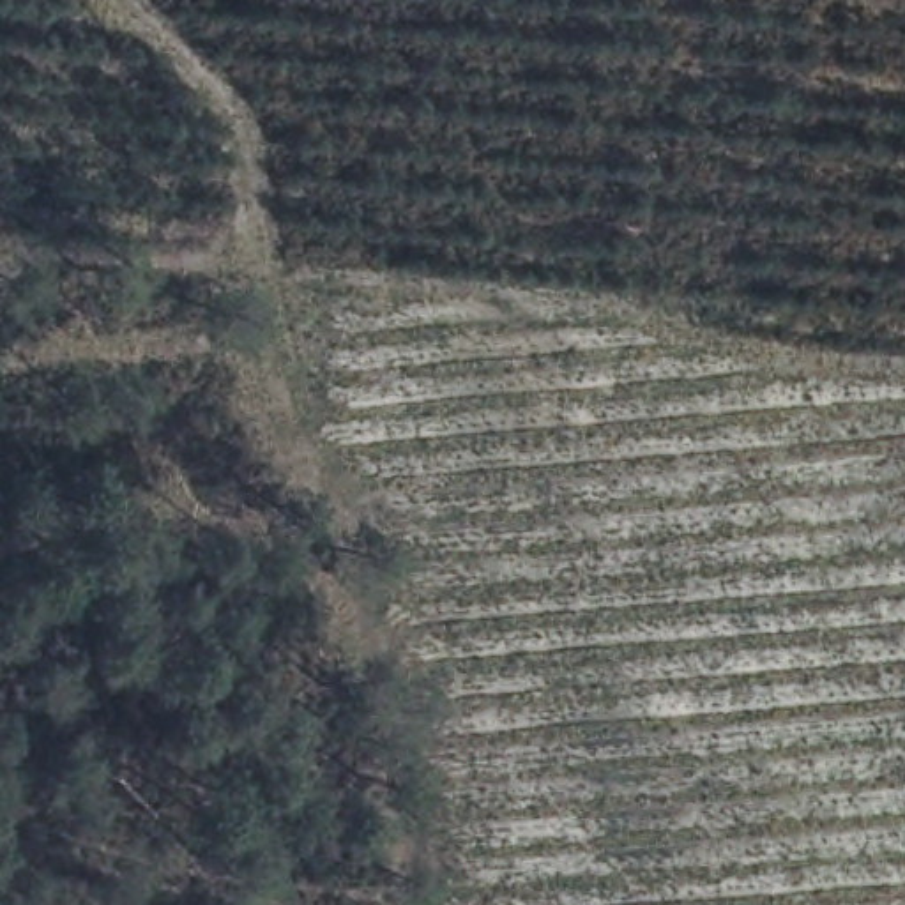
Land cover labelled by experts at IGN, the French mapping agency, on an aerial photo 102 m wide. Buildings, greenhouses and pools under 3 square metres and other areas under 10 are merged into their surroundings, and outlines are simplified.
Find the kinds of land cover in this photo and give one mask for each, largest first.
<instances>
[{"label":"clear cut","instance_id":"1","mask_svg":"<svg viewBox=\"0 0 905 905\"><path fill-rule=\"evenodd\" d=\"M240 290H255L272 300L279 325V343L272 346L276 375L290 385V403L297 410L300 431H322L329 442L343 445L368 442L371 460L361 467L364 474H375V488H389L385 506L399 513L407 509L431 516V527H407L403 541L414 559L410 576L417 587L435 590L438 605H424L414 612L389 605L385 619L403 626H428L424 647L407 650H414L421 661H442L449 668V696H456V714L442 721V735L428 749L431 764L442 774H449L445 795L449 831L453 838H463L460 866L449 870L456 905H905V357L845 354L824 346H788L778 339L728 336L725 329L689 325L686 315L640 308L636 297L619 293L583 290L509 286L488 279H438L421 272H399L325 265H300L297 272L279 269L272 279L237 272Z\"/></svg>","mask_w":905,"mask_h":905},{"label":"brushwood","instance_id":"2","mask_svg":"<svg viewBox=\"0 0 905 905\"><path fill-rule=\"evenodd\" d=\"M152 11L166 18L173 32L233 88V95L247 103L265 138L262 173L269 177V184L258 205L276 223L279 269L297 272L300 265H325L399 272L407 262L438 265L445 258V240L453 233L488 230L498 233L506 244L619 240L650 244V258L636 269V286H654L658 279H665L668 286L686 290L689 276L696 272H703V279H711L714 286L711 293L693 297L665 290L636 297L640 308L686 315L689 325L725 329L728 336L778 339L788 346H824L845 354L905 357V212H873L870 230H856L852 216L859 212L863 194H905V170L824 166L817 163V152L827 141H856L887 152H905V131L870 127L856 120L810 124L795 117H721L732 95H774V81L771 74L781 71L785 60L802 57L856 67L866 74H905V14H866L863 7L848 4V25L838 28L827 18L824 25H810L802 14H792L781 4L774 14L771 28L760 32L700 28L696 46L689 53L700 57V78L707 88L686 95L672 92V81L679 78L672 64L523 60L502 49H456L460 32H506L523 39L590 42L658 39L661 28L650 21H590L583 18L587 0H569L566 18H523L498 11H438L424 4L336 7L329 0H148ZM219 14H283L336 25L350 21L361 28L350 42L258 32L205 35L209 21ZM286 57L304 64L336 60L339 78H279L276 60ZM357 64H403L407 78L399 85L361 88ZM527 78L583 81L587 99L566 103L555 95H520V81ZM346 103L399 106V120L382 127L346 120ZM453 110L594 120L597 141L513 131L506 156L544 159L559 166H658L661 187L654 202L661 209L696 212L672 230L626 223L615 233L619 209L636 202V187L601 180L594 209L587 216L541 219L534 209H523L520 198H580V180L544 184L523 173L506 177L502 163H491L495 148L484 141L481 131L453 127ZM399 145L428 148V163L407 170V187L470 191L484 184L495 191L491 205L424 209V233L417 244H410L407 223L382 226L364 180L371 177L375 156ZM746 177H778L806 184L817 187L820 198L788 202L771 194H746ZM764 216H799L820 223V230L813 240H799L795 233L781 230L753 237V226ZM304 219H361V233L308 237L297 230ZM764 258L785 265H834L845 272L838 286H788L778 276H746L742 262ZM774 300H827L834 304L827 322L831 329H810L806 318H799L795 329H788L771 308ZM658 7L672 14H749L753 0H619ZM799 99L806 106H863L905 113V95L863 92L859 85H841L838 92L802 88ZM583 290L619 293L622 279L608 262H587V276L580 279ZM28 286H35V269L21 265V276L0 283V315H11L14 304L28 293ZM124 279L117 269H57V308L42 311L25 329L21 343H42L53 329L67 325L74 315H85L92 318V329L99 336L117 332V308ZM191 290L184 272H166L163 286H156L152 297L170 300V311L177 318L187 311ZM148 378L159 382L166 410L156 417L152 431L159 435V445L180 463V470L198 498L223 488L233 491L247 509H258L279 488L265 481L269 463L244 449L209 428L212 407L230 410L237 375L223 361L209 354L138 364ZM85 410V396L74 385L71 364H42L0 375V460L32 463V477H46L57 498L85 484L99 491L103 467L95 456H88L85 445H67V424ZM49 534L25 530L18 523L11 534H0V569H11L14 551H39ZM329 608L325 601H318V608L304 622H297L293 608L283 597H276L255 658L240 665L233 675L251 686L265 682L269 700H283L290 693V700H297L322 721V739L315 749V771L322 785H329L332 792L339 785H354L368 799V813L378 802H389V792L399 785V753H392V732L354 728L361 703L371 693H389L385 675L382 658L364 661L361 675L343 668L346 647L322 633ZM120 633V626L113 622L99 626L81 615L78 622L42 626L35 650L25 661L0 668V749L28 728V757L21 760L25 795L18 824L21 859L28 856L46 873L81 884L88 891H113V877L106 873L110 863L81 841V834H88V810L81 802H71L67 810L53 813L49 802L57 781L71 771L74 742L81 735H95L99 757L110 767L106 785L117 799V824L131 838H138L159 863L163 884L156 894L205 891L237 905H240V894L258 884V873L251 866H237L223 852L226 838L219 820L226 788L255 785L258 802L279 799L272 788L269 764L258 753H226L205 771L184 767L187 721L198 700L163 703L141 686H110L113 672L106 668L103 643ZM71 665L85 672L92 703L81 707L74 718L60 721L46 707V682L53 672ZM216 661L202 650L198 626H184L163 636L159 672L173 682L194 679L202 686ZM435 689L431 675L424 672L410 679L403 707L421 721L431 711ZM392 884L389 863L357 859L339 880H300L290 905H368L346 898V887Z\"/></svg>","mask_w":905,"mask_h":905},{"label":"coniferous trees","instance_id":"3","mask_svg":"<svg viewBox=\"0 0 905 905\"><path fill-rule=\"evenodd\" d=\"M71 0H0V18L67 21ZM336 7L424 4L438 11H498L523 18H566L569 0H329ZM658 7L619 0H587L583 18L590 21H650ZM693 14L700 18V28L760 32L771 28L774 14ZM361 28L350 21L336 25L283 14H219L209 21L205 35L258 32L350 42ZM71 42H39L42 49H64L60 64L103 67L106 57H113L120 60V71H127L159 64L166 57L134 32H117L103 25L71 21ZM456 49H502L523 60L672 64L679 42L658 39L590 42L523 39L506 32H460ZM279 78H339L336 60L304 64L286 57L276 60ZM407 78L403 64H357L361 88L399 85ZM0 92H74V85L67 78H49L46 71H0ZM99 95L127 103L141 99V85H120L110 74H99ZM520 95H555L566 103L587 99L583 81L527 78L520 81ZM774 95H732L721 117H795L810 124L856 120L870 127L905 131V113L863 106H806L799 99L802 88L799 81H774ZM346 120L382 127L399 120V106L346 103ZM49 127H60L64 134L71 127H88L95 134H127L138 156V170L148 180L170 173L173 187H156V198L148 202L134 198L131 191L117 194L106 177L117 166V156L99 152L92 145H78V166L57 187V194L64 202L95 205L103 212L92 223L85 247H117V269L124 279L117 308L138 315L148 308L156 286H163L166 272L152 269V251H159L166 223L223 219L233 216L230 194L223 202H184L180 187L191 180H212L216 166L230 170L237 166V156L219 148L230 134V124L223 120L216 124L212 156L187 163L180 159V145L187 141V124L170 117L138 120L71 110H0V159H42L39 141ZM453 127L481 131L484 141L495 148L491 163H502L506 177L523 173L544 184L580 180V198H520L523 209H534L541 219L587 216L594 209L601 180L636 187V202L619 209L615 233L626 223L672 230L696 212L661 209L654 202L661 187L658 166H559L544 159L506 156L513 131L597 141L594 120L453 110ZM817 163L824 166L905 170V152H887L856 141H827L817 152ZM428 163V148L399 145L375 156L371 177L364 180L382 226L407 223L410 244H417L424 233V209L491 205L495 191L484 184L470 191L407 187V170ZM746 194H771L788 202L820 198L817 187L806 184L778 177H746ZM905 212V194H863L859 212L852 216L856 230H870L873 212ZM781 230L795 233L799 240H813L820 230V223L799 216H764L753 226V237ZM297 230L308 237L361 233V219H304ZM650 258V244L619 240L506 244L498 233L488 230L453 233L445 240V258L438 265L407 262L399 272H421L438 279H488L509 286L583 290L580 279L587 276V262H608L622 279L619 293L636 297L665 290L693 297L711 293L714 286L711 279H703V272H696L689 276L686 290L668 286L665 279H658L654 286H636V269ZM746 276H778L788 286H838L845 272L834 265H785L764 258L742 262ZM57 308V269L35 279V286H28V293L14 304L11 315L25 329L42 311ZM191 290L187 311L177 318L198 322L205 336L209 354L223 361L230 357V350H237L255 361L262 357V346H272L279 343V325L272 300L255 290H240L237 272H184ZM771 308L788 329H795L799 318H806L810 329H831L827 322L834 304L827 300H774ZM74 385L85 396V410L67 424V445H85L99 442L110 431H120L131 435L134 453L152 477H173L180 470V463L159 445V435L152 431L156 417L166 410L159 382L148 378L138 364H71ZM209 428L244 449L255 438V431H244V424L230 410L212 407ZM265 481L279 488L258 509H272L286 523L300 527L283 576H265L255 566V534H240L233 541V551L223 555L202 534L184 537L177 523L145 516L141 498L127 491L117 467H103L99 491L85 484L57 498L46 477H32V463L0 460V534H11L18 523L25 530L49 534L39 551H14L11 569H0V668L25 661L35 650L42 626L78 622L81 615L99 626L113 622L120 626V633L103 643L106 668L113 672L110 686H141L163 703L198 700L187 721L184 767L205 771L226 753H258L269 764L272 788L279 799L258 802L255 785L226 788L219 820L226 838L223 852L237 866H251L258 873V884L240 894V905H290L300 880H339L357 859L389 863V845L407 841L417 831L431 795H445L449 774H442L431 764L428 749L442 735V721L456 714V696H449V668L442 661H431L424 672L431 675L435 689L431 711L421 721L403 707L410 679L399 668L385 675L389 693H371L361 703L354 728L392 732V753H399V785L389 792V802H378L368 813V799L354 785H339L332 792L329 785H322L315 771V749L322 739V721L297 700H290V693L283 700H269L265 682L251 686L233 675L240 665L255 658L276 597H283L293 608L297 622H304L318 608V601L304 583L322 569L332 573L336 562L346 555L332 544V537L329 502L304 488H286V477L269 463ZM184 626H198L202 650L216 661L202 686L194 679L173 682L159 672L163 636ZM389 566L364 580V597L375 601L378 594L407 583L410 576L414 559L403 541L385 537ZM92 703L85 672L71 665L53 672L46 682V707L60 721L74 718L81 707ZM28 757V728L0 749V905H237L205 891L156 894L163 884L159 863L138 838H131L117 824V799L106 785L110 767L99 757L95 735H81L74 742L71 771L57 781L49 802L53 813L67 810L71 802H81L88 810V834H81V841L110 863L106 873L113 877V891H88L81 884L46 873L28 856L21 859L18 824L25 795L21 760Z\"/></svg>","mask_w":905,"mask_h":905},{"label":"herbaceous vegetation","instance_id":"4","mask_svg":"<svg viewBox=\"0 0 905 905\"><path fill-rule=\"evenodd\" d=\"M71 21L103 25L88 0H71L67 21L0 18V71H46L49 78H67L74 85V92H0V110H71L138 120L170 117L187 124V141L180 145V159L187 163L212 156L216 124L223 120L212 113L209 95L180 81L166 57L159 64L127 71H120V60L113 57H106L103 67L60 64L64 49H42L39 42H71ZM99 74H110L120 85H141V99L127 103L99 95ZM42 159H0V283L21 276V265L35 269V279L57 269H117V247H85L92 223L103 212L95 205L64 202L57 194V187L78 166V145H92L99 152L117 156V166L106 177L117 194L131 191L134 198L148 202L156 198V187H173L170 173L148 180L138 170V156L127 134H95L88 127H71L64 134L60 127H49L39 141ZM230 194V170L216 166L212 180H191L180 187L184 202H223ZM223 219L166 223L159 251H205ZM117 332H152L177 325L180 336H205L198 322L177 318L170 311V300L152 297L148 308L138 315L117 308ZM88 456H95L103 467H117L127 491L141 498L145 516L177 523L184 537L202 534L223 555L233 551V541L240 534H255V566L265 576H283L300 527L286 523L272 509H247L233 491L223 488L198 498L180 470L173 477H152L134 453L131 435L120 431H110L99 442L85 445ZM332 544L346 555L336 562L332 573L339 587H346L354 597H364V580L389 566L385 537L361 523L357 530H336L332 537ZM463 838H453L449 831L445 795H431L417 831L407 841L389 845V863L392 884L346 887V898L368 905H456L449 870L460 866Z\"/></svg>","mask_w":905,"mask_h":905},{"label":"bare soil","instance_id":"5","mask_svg":"<svg viewBox=\"0 0 905 905\"><path fill-rule=\"evenodd\" d=\"M103 25L117 32H134L166 57L180 81L209 95L212 113L223 120L230 124V134L219 148L237 156V166L230 170V194L233 216L223 219L205 251H152V269L166 272H237L272 279L279 269L276 223L258 205L269 184V177L262 173L265 138L247 103L233 95V88L173 32L166 18L152 11L148 0H88ZM781 4L792 14H802L810 25H824L827 18L838 28L848 25V4L863 7L866 14H905V0H753L749 14H774ZM650 21L661 28L658 39L679 42L672 64L679 78L672 81V92L686 95L707 88L700 78V57L689 53L696 46L700 28V18L693 14H672L658 7ZM774 81H799L802 88L838 92L841 85H859L863 92L905 95V74H866L856 67L802 57L785 60L781 71L771 74ZM25 329L11 315H0V375L42 364H138L209 354L205 336H180L177 325L152 332H117L99 336L92 329V318L85 315H74L67 325L53 329L42 343H21ZM237 375L230 410L244 424V431H255V438L244 449L269 463L286 477V488H304L329 502L332 537L336 530H357L361 523L385 537L403 541L407 527H431V516L407 509L399 513L385 506L389 488H375V474H364L361 467L371 460L368 442L343 445L329 442L322 431H300L297 410L290 403V385L276 375L272 346H262V357L255 361L237 350H230V357L223 361ZM318 601H325L329 608L322 633L346 647L343 668L361 675L364 661L382 658L385 675L399 668L410 679L424 672L431 661H421L414 650H407L424 647L428 626H403L385 619L389 605L414 612L424 605H438L435 590L417 587L410 576L407 583L378 594L375 601L364 597H354L346 587H339L332 573L322 569L304 583Z\"/></svg>","mask_w":905,"mask_h":905}]
</instances>
